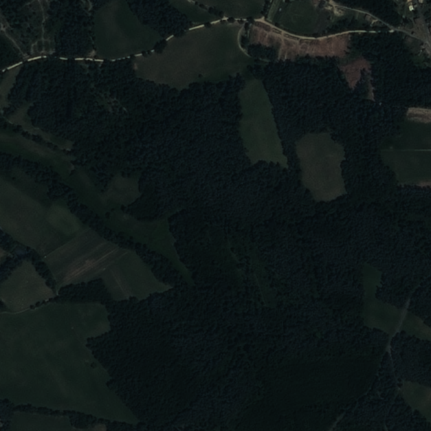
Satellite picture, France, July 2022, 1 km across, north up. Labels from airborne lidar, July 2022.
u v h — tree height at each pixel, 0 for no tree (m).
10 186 0
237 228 22
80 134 16
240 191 22
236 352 17
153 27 19
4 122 9
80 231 0
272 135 0
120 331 15
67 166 0
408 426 23
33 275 0
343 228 27
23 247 8
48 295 0
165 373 16
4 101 0
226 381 9
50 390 0
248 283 18
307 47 0
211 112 26
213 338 26
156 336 18
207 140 24
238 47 0
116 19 0
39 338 0
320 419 6
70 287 12
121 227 0
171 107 10
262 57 21
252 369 27
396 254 20
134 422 0
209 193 26
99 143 21
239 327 22
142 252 16
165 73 0
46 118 22
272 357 19
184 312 11
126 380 17
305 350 17
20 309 0
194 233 21
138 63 0
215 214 24
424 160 0
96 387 0
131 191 0
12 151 0
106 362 10
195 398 11
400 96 18
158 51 17
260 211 25
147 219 19
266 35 0
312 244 24
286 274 24
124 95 19
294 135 19
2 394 0
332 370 6
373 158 22
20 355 0
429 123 0
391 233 26
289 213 23
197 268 7
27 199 0
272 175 24
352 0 17
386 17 22
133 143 30
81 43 27
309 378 6
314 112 21
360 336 23
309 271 9
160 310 22
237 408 21
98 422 13
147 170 12
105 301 11
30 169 16
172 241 0
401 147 0
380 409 24
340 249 23
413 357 22
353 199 27
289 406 7
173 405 10
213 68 0
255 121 0
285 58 0
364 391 6
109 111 21
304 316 11
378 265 22
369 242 23
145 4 19
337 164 0
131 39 0
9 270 21
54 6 22
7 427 17
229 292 26
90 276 0
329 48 0
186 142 26
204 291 19
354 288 20
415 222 9
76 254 0
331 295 15
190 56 0
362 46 18
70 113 29
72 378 0
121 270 0
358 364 6
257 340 24
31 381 0
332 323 21
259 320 23
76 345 0
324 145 0
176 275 21
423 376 23
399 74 25
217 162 23
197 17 0
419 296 21
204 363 13
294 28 0
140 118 13
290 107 22
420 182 0
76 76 24
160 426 14
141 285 0
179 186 19
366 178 19
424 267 25
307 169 0
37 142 24
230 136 22
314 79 26
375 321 0
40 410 13
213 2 0
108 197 0
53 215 0
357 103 38
